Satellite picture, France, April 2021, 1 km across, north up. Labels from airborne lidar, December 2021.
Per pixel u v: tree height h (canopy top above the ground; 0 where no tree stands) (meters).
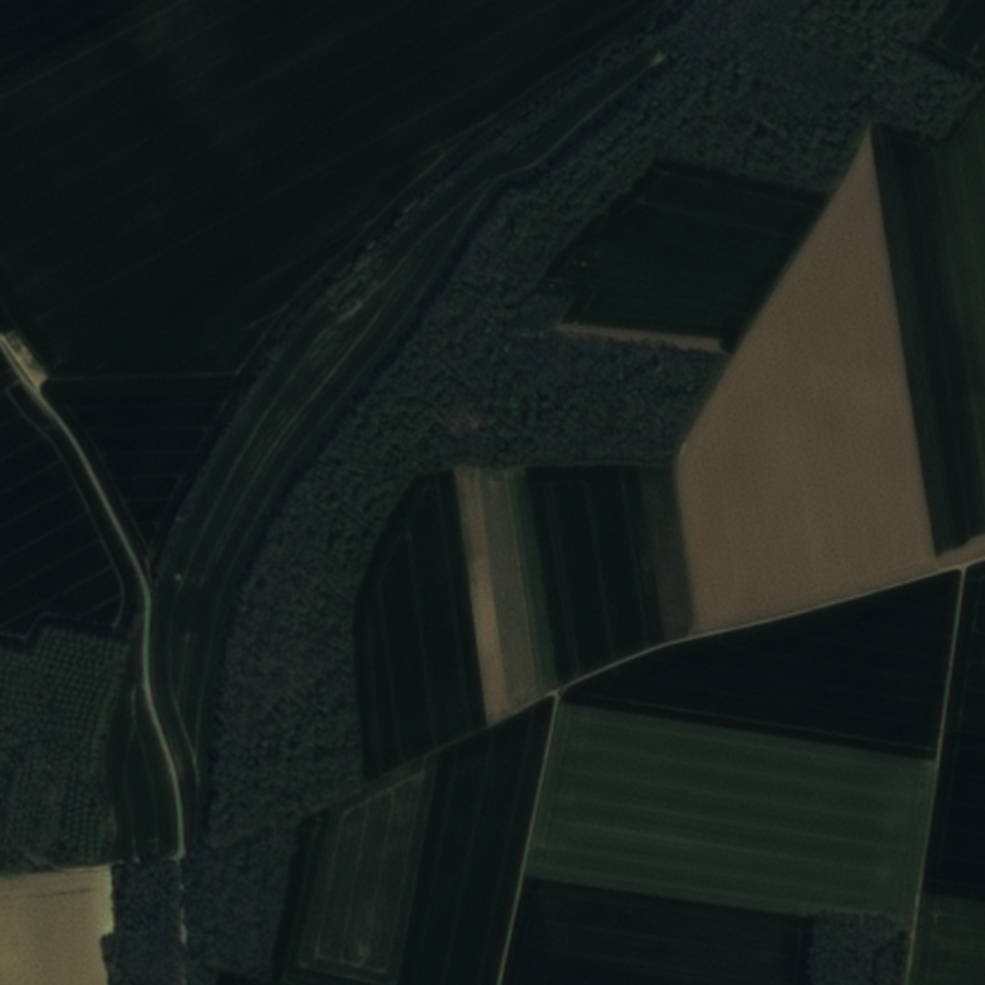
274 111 0
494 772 0
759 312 0
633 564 0
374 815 0
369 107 0
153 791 0
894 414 0
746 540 0
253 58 0
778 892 0
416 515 0
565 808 0
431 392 17
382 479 18
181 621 0
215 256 0
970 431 0
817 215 0
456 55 0
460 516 0
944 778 0
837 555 0
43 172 0
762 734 0
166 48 0
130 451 0
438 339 18
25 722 25
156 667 0
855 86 12
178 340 0
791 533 0
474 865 0
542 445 19
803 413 0
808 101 11
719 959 0
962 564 0
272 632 16
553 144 0
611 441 19
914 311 0
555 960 0
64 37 0
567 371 20
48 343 0
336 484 13
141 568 0
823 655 0
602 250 0
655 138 21
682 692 0
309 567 21
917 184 0
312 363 0
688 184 0
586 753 0
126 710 0
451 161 0
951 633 0
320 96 0
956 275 0
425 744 0
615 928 0
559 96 7
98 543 0
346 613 16
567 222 7
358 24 0
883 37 23
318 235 0
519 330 17
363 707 0
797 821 0
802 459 0
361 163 0
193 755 0
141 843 0
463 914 0
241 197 0
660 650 0
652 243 0
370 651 0
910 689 0
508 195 14
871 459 0
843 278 0
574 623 0
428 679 0
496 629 0
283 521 18
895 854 0
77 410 0
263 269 0
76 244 0
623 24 0
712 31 17
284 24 0
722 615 0
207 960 20
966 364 0
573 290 0
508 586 0
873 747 0
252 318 0
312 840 0
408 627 0
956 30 0
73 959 0
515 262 9
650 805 0
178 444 0
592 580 0
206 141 0
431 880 0
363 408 16
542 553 0
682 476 0
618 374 19
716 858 0
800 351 0
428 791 0
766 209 0
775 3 13
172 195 0
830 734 0
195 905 19
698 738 0
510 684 0
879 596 0
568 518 0
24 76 0
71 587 0
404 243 0
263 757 17
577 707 0
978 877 0
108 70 0
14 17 0
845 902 0
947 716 0
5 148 0
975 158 0
